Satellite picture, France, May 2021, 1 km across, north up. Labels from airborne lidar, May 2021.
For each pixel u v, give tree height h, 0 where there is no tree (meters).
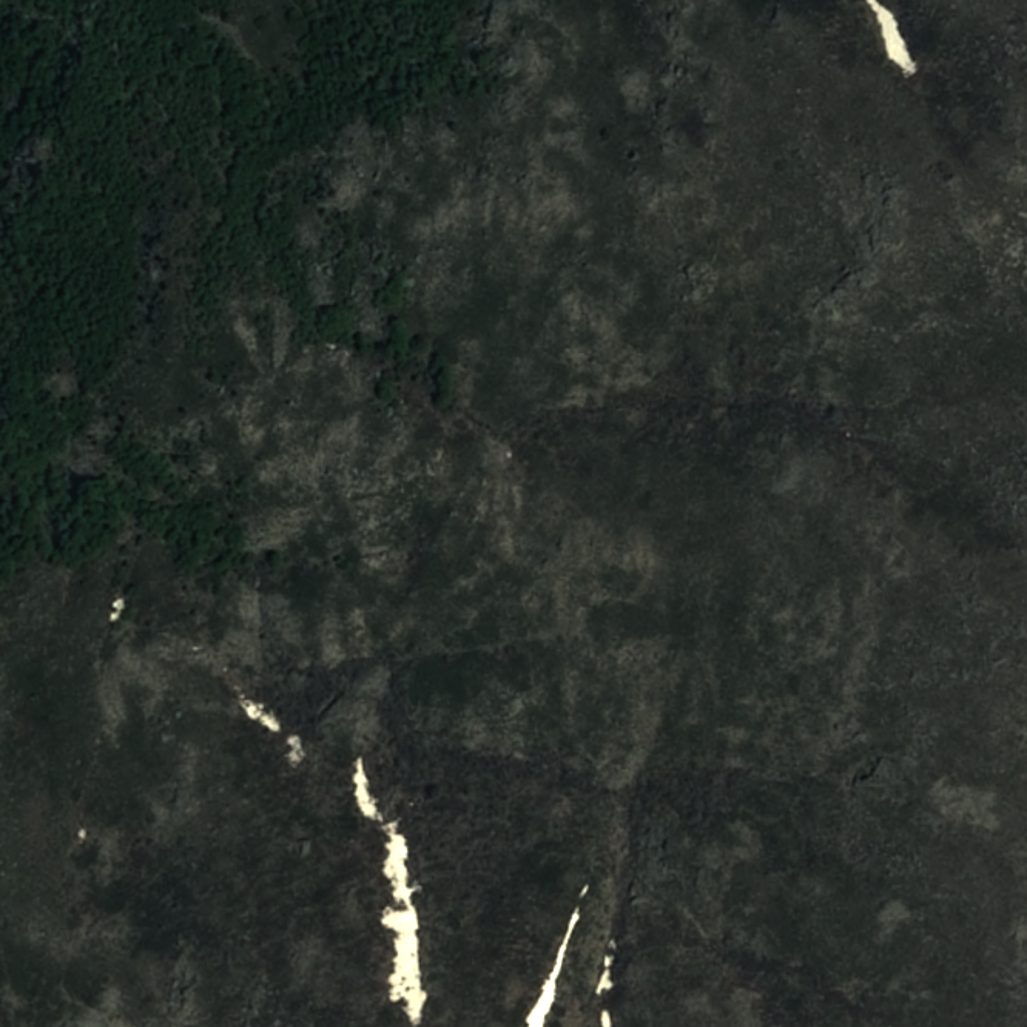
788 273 0
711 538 0
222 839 0
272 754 0
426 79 17
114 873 0
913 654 0
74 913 0
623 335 0
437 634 0
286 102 7
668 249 0
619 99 0
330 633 0
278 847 0
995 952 0
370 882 0
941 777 0
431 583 0
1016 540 0
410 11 13
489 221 0
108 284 10
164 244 15
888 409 0
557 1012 0
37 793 0
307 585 0
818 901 0
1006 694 0
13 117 14
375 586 0
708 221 0
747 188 0
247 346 0
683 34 0
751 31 0
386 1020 0
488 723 0
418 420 0
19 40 14
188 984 0
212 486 0
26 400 20
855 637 0
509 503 0
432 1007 0
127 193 8
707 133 0
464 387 0
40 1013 0
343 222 11
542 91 0
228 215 10
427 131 0
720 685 0
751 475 0
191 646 0
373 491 0
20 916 0
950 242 0
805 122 0
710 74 0
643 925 0
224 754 0
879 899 0
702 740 0
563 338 0
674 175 0
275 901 0
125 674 0
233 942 0
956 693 0
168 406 0
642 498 0
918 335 0
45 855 0
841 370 0
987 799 0
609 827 0
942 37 0
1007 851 0
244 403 0
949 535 0
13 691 0
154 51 20
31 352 8
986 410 0
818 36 0
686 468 0
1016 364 0
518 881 0
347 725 0
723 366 0
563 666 0
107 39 7
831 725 0
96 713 0
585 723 0
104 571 0
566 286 0
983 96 0
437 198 0
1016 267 0
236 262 7
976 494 0
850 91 0
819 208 0
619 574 0
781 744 0
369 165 0
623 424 0
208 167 12
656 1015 0
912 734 0
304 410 0
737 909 0
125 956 0
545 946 0
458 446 0
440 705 0
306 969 0
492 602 0
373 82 11
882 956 0
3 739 0
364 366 0
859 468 0
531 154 0
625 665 0
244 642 0
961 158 0
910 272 0
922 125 0
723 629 0
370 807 0
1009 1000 0
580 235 0
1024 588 0
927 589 0
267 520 0
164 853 0
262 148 13
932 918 0
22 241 15
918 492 0
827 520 0
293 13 12
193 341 6
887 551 0
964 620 0
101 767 0
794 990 0
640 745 0
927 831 0
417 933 0
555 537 0
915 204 0
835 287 0
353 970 0
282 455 0
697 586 0
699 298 0
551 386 0
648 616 0
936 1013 0
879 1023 0
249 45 0
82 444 0
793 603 0
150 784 0
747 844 0
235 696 0
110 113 14
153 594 0
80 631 0
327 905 0
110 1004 0
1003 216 0
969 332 0
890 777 0
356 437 0
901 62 0
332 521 0
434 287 0
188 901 0
